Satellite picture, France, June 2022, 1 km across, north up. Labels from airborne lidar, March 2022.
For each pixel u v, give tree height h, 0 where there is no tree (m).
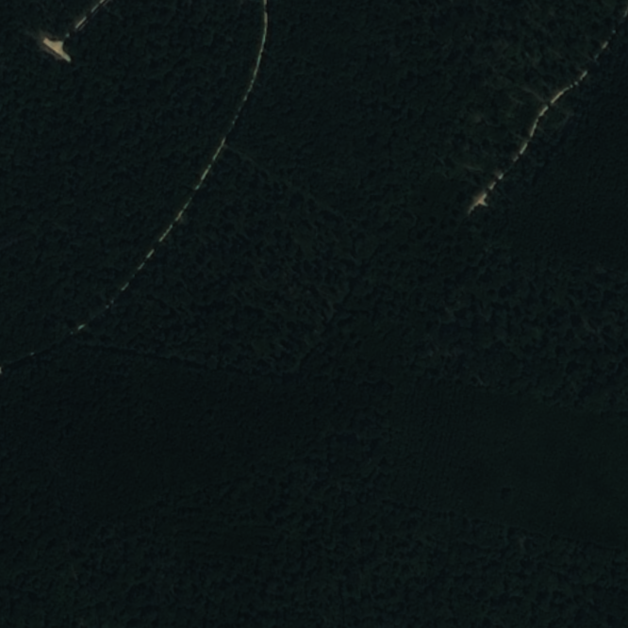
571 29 25
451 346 29
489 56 23
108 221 20
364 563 23
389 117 25
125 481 14
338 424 24
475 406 0
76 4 21
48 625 21
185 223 0
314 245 0
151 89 27
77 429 22
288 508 25
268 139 22
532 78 22
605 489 10
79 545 21
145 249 20
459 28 26
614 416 24
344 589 21
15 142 22
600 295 25
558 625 21
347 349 24
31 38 0
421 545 24
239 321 28
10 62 20
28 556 25
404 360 22
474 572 22
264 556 18
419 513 22
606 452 10
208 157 14
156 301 26
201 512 12
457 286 25
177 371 18
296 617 23
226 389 22
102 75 25
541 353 22
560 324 27
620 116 19
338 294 24
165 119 23
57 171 22
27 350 19
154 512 12
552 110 23
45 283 23
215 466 14
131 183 21
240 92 17
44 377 20
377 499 24
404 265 20
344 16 22
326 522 24
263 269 0
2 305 23
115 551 24
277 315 24
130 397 22
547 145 17
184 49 24
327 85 21
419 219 24
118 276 23
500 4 20
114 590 21
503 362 23
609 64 22
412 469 0
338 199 22
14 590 23
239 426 24
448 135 23
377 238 0
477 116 0
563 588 24
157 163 18
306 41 23
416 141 25
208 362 22
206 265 25
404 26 24
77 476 14
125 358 15
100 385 24
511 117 0
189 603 21
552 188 18
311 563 19
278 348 23
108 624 23
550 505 11
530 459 11
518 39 25
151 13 25
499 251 21
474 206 0
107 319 24
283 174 21
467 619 25
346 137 25
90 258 23
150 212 21
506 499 22
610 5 0
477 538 20
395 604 21
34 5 22
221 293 30
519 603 23
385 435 22
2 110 24
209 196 24
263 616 22
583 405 26
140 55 22
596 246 16
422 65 21
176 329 23
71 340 23
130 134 22
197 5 21
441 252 24
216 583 20
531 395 18
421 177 22
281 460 22
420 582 20
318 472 25
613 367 24
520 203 19
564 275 21
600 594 23
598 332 26
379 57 22
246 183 24
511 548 22
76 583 20
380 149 25
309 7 20
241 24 20
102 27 20
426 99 19
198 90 20
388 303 22
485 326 25
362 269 0
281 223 26
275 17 21
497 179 0
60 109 21
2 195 24
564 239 19
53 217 18
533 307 23
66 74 20
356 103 23
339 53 22
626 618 21
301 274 27
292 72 19
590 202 16
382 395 24
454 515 18
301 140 17
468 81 22
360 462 24
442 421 0
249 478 27
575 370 24
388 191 23
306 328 23
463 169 0
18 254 25
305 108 23
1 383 23
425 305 23
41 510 24
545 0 18
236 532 7
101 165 27
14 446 16
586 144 20
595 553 28
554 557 21
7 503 27
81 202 23
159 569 20
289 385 25
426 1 26
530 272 24
